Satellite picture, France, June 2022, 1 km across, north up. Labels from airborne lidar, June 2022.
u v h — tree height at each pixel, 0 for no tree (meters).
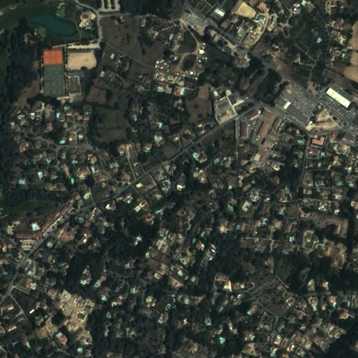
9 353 11
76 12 0
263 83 6
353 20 11
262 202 6
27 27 15
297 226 9
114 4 10
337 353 22
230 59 8
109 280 13
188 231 10
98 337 12
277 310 0
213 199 10
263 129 0
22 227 0
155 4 18
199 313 22
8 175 15
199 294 15
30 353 17
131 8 20
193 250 11
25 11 0
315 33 0
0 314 10
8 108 16
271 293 14
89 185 19
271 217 6
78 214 6
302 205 7
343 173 6
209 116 9
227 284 0
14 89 18
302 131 10
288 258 7
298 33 0
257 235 6
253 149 0
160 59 0
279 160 6
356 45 0
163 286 16
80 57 0
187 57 0
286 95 0
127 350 21
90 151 7
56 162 13
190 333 11
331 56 6
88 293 22
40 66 6
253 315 10
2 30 0
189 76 0
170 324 23
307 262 8
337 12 7
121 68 6
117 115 0
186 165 15
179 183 0
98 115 19
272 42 8
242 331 19
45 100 13
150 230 17
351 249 15
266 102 6
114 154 11
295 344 5
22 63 26
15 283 7
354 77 0
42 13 0
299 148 16
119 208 24
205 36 10
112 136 0
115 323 23
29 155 22
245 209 0
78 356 19
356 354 16
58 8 0
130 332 0
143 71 0
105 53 0
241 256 20
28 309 18
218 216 14
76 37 0
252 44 0
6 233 12
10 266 22
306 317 10
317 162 8
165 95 8
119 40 0
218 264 20
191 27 7
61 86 0
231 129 0
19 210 0
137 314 17
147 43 6
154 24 6
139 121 13
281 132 7
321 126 0
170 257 18
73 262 17
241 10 0
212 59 0
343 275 23
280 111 0
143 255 16
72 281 12
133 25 0
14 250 10
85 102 6
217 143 14
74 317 0
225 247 20
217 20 9
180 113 14
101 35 0
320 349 7
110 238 6
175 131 14
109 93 6
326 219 0
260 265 19
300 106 0
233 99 0
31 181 22
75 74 0
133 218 9
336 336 0
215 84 8
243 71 14
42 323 12
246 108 10
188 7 0
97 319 19
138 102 9
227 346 20
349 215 14
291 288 13
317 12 6
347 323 18
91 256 15
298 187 13
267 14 0
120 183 8
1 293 13
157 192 0
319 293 12
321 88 7
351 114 0
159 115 8
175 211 16
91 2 0
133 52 0
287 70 0
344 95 0
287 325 14
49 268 9
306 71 8
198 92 10
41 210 16
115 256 13
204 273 24
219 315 9
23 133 8
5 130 24
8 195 19
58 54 0
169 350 21
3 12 0
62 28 0
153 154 15
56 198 8
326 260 13
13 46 12
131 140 11
